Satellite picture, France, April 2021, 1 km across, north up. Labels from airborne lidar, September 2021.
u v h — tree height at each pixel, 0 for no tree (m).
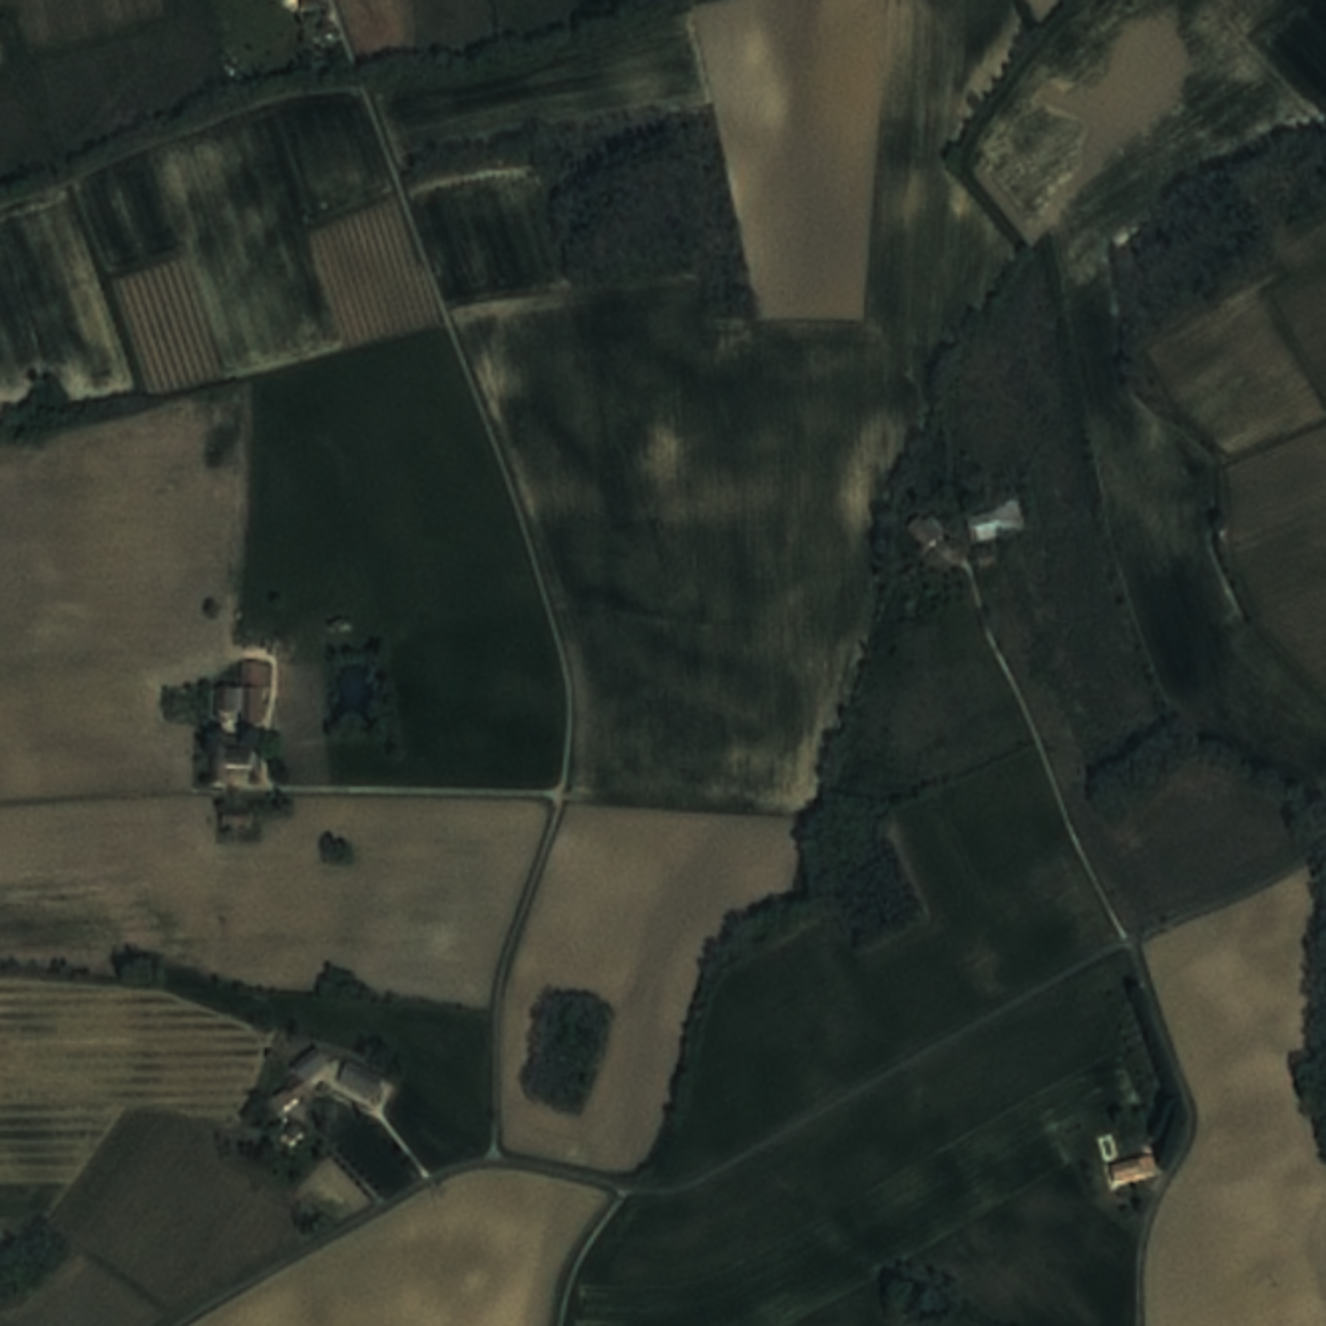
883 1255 0
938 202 0
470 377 0
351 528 0
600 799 0
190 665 0
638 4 17
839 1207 0
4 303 0
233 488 0
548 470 0
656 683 0
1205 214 14
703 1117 0
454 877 0
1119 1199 8
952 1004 0
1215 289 12
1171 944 0
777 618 0
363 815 0
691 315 0
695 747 0
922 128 0
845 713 12
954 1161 0
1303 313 0
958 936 0
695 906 0
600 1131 0
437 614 0
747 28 0
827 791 10
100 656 0
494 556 0
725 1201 0
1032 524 14
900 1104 0
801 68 0
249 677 0
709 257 12
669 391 0
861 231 0
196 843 0
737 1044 0
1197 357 0
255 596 0
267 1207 0
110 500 0
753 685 0
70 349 0
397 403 0
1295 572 0
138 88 0
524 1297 0
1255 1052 0
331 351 0
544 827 0
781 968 0
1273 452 0
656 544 0
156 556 0
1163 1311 0
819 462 0
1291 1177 0
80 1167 0
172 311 0
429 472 0
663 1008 0
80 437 0
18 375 0
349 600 0
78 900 0
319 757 0
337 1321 0
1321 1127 14
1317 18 0
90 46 0
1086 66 0
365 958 0
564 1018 20
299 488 0
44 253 0
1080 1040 0
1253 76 0
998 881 0
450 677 0
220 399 0
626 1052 0
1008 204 0
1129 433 0
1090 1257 0
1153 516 0
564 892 0
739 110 0
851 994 0
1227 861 0
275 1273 0
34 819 0
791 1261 0
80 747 0
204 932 0
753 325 9
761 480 0
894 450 0
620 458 0
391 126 0
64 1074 0
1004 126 0
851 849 18
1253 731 0
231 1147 12
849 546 0
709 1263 0
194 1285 0
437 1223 0
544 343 0
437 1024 0
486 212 0
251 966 0
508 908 0
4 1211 0
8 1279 21
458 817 0
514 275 0
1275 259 17
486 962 0
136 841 0
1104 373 0
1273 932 0
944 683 0
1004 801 0
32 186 21
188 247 0
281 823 0
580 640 0
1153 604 0
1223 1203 0
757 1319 0
